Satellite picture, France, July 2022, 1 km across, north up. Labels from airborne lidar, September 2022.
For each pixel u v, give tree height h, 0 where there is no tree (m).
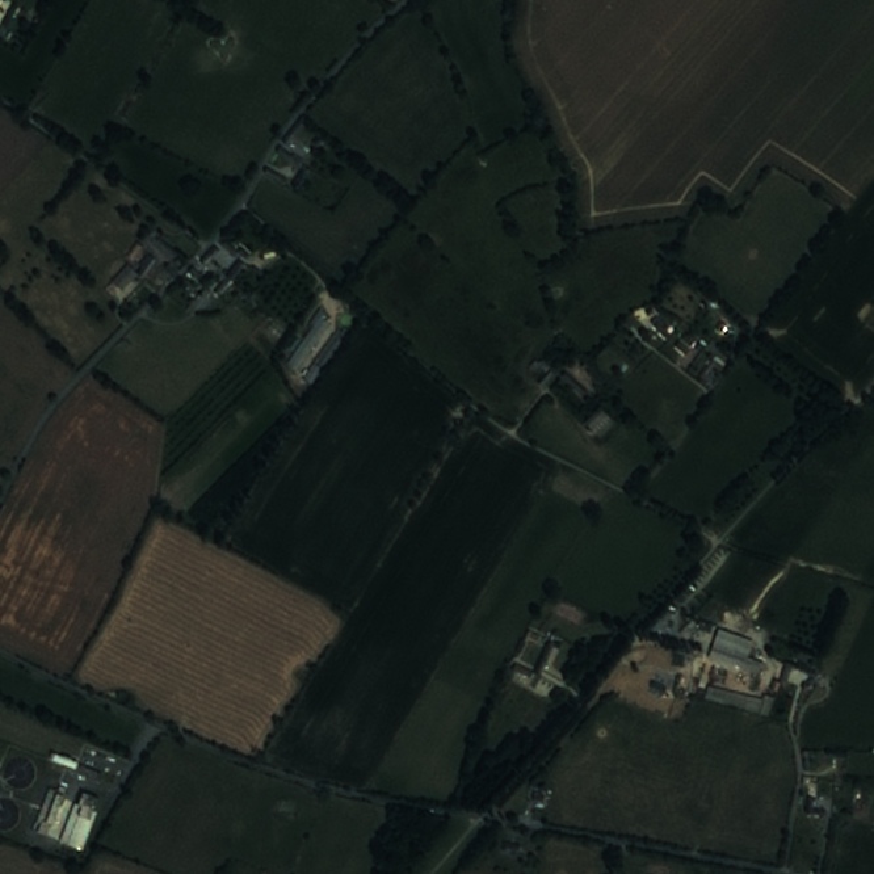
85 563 0
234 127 0
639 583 0
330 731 0
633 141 0
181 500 0
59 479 0
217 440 0
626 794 0
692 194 0
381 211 0
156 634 0
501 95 0
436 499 0
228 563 0
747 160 0
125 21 0
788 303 16
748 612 0
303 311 10
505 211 7
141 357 0
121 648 0
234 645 0
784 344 0
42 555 0
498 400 0
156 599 0
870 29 0
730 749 0
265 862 0
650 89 0
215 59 0
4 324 0
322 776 0
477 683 0
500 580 0
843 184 0
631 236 0
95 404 0
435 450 0
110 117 0
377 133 0
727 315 10
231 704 0
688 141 0
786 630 0
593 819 0
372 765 0
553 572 0
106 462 0
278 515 0
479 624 0
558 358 11
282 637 0
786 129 0
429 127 0
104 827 12
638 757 0
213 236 0
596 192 0
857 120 0
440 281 0
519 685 0
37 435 0
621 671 0
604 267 0
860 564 0
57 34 0
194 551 0
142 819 0
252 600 0
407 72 0
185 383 0
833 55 0
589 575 0
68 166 0
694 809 0
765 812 0
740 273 0
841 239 0
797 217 0
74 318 0
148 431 0
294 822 0
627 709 0
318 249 0
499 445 0
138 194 7
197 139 0
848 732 0
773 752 0
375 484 0
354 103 0
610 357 0
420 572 0
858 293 0
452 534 0
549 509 0
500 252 0
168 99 0
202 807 0
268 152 0
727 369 8
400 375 0
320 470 0
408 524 0
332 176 11
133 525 0
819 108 0
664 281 12
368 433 0
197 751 0
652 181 0
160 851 0
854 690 0
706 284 15
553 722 22
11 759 0
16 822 0
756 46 0
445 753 0
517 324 0
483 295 0
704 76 0
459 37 0
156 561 0
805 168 0
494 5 0
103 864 0
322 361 0
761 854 0
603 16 0
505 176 0
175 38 0
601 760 0
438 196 0
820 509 0
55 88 0
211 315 6
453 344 0
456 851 0
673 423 0
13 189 0
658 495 0
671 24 0
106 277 0
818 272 0
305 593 0
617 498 0
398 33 0
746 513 0
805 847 0
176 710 0
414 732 0
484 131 0
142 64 0
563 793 0
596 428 0
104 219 0
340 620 0
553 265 12
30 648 0
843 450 0
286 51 0
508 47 7
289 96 0
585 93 0
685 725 0
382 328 8
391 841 22
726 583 0
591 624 0
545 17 0
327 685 0
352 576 0
